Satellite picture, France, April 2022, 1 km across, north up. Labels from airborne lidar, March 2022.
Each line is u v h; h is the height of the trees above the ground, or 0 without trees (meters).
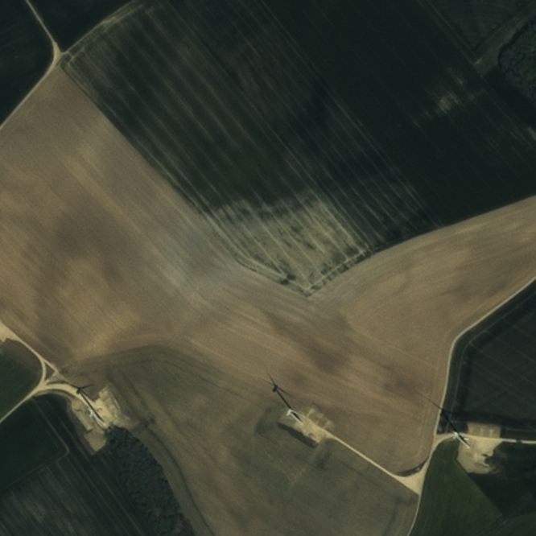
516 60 21
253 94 0
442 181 0
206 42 0
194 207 0
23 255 0
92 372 0
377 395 0
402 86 0
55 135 0
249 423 0
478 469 0
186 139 0
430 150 0
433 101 0
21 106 0
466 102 0
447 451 0
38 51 0
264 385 0
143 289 0
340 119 0
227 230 0
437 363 0
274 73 0
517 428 0
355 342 0
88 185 0
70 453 0
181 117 0
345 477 0
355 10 0
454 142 0
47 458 0
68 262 0
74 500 0
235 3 0
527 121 0
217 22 0
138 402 0
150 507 17
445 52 0
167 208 0
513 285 0
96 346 0
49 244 0
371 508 0
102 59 0
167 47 0
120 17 0
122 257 0
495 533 0
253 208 0
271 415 0
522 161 0
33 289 0
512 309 0
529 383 0
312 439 0
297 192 0
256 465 0
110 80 0
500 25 0
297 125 0
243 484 0
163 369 0
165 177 0
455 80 0
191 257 0
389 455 0
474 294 0
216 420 0
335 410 0
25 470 0
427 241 0
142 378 0
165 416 0
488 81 0
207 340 0
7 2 0
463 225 0
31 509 0
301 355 0
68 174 0
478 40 0
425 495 0
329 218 0
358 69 0
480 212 0
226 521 0
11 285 0
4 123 0
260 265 0
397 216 0
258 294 0
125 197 0
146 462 20
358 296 0
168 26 0
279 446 0
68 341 0
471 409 0
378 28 0
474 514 0
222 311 0
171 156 0
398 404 0
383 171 0
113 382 0
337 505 0
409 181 0
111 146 0
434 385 0
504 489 0
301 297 0
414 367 0
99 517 0
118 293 0
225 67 0
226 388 0
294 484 0
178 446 0
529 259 0
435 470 0
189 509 0
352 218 0
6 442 0
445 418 0
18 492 0
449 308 0
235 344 0
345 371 0
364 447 0
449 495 0
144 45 0
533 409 0
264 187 0
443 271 0
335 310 0
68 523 0
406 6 0
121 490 0
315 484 0
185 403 0
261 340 0
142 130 0
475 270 0
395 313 0
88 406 0
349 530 0
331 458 0
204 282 0
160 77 0
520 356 0
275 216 0
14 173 0
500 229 0
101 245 0
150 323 0
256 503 0
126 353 0
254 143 0
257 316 0
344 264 0
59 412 0
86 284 0
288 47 0
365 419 0
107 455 0
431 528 0
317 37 0
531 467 0
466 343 0
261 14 0
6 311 0
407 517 0
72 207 0
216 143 0
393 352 0
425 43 0
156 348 0
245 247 0
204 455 0
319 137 0
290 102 0
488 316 0
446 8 0
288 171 0
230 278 0
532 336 0
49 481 0
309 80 0
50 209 0
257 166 0
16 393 0
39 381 0
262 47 0
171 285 0
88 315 0
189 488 0
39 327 0
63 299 0
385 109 0
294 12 0
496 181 0
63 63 0
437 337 0
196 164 0
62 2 0
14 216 0
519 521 0
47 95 0
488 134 0
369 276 0
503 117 0
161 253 0
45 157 0
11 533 0
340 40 0
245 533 0
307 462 0
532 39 25
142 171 0
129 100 0
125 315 0
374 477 0
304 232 0
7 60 0
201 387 0
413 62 0
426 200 0
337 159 0
